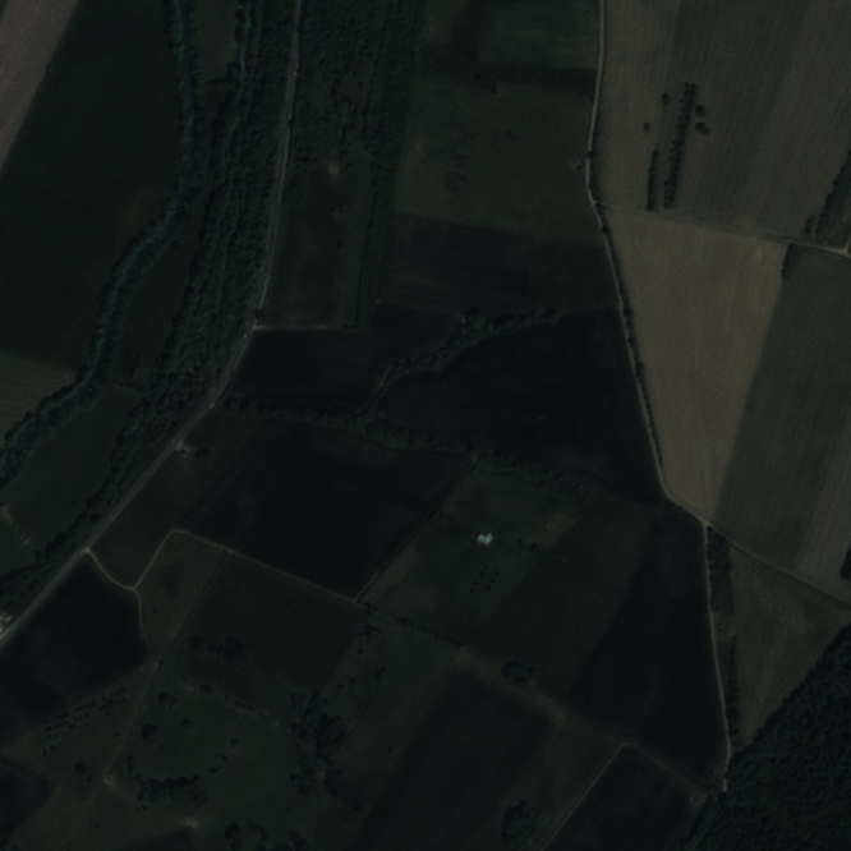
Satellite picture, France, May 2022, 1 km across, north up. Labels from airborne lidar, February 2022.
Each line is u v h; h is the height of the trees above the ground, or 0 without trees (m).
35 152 0
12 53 0
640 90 0
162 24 0
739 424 0
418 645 0
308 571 0
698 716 0
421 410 0
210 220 10
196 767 0
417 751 0
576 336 0
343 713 0
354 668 0
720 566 12
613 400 0
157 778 0
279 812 0
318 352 0
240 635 0
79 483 0
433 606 0
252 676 0
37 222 0
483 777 0
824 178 0
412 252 0
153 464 0
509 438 0
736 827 20
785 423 0
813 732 22
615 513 0
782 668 0
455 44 0
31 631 0
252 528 0
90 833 0
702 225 0
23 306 0
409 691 0
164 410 11
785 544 0
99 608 0
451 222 0
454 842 0
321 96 0
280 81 10
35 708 0
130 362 0
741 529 0
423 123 0
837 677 25
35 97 0
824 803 21
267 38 13
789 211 0
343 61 10
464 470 0
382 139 11
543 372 0
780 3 0
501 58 0
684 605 0
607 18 0
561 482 6
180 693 0
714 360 0
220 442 0
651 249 0
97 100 0
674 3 0
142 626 0
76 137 0
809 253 0
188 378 8
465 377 0
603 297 0
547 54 0
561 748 0
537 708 0
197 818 0
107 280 0
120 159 0
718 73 0
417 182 0
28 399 0
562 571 0
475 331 17
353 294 0
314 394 0
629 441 0
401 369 10
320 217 0
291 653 0
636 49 0
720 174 0
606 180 0
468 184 0
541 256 0
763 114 0
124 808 0
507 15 0
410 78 7
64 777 0
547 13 0
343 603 0
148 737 17
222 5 0
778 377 0
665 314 0
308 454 0
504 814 0
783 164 0
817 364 0
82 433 0
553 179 0
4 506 6
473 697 0
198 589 0
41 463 0
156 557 0
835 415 0
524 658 0
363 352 0
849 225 0
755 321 0
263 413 13
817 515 0
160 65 0
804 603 0
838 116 0
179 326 12
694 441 0
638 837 0
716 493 0
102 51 0
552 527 0
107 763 0
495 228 0
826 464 0
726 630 0
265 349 0
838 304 0
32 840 0
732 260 0
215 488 0
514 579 0
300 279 0
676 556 0
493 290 0
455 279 0
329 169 0
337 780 20
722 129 0
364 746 0
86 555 0
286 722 0
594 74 0
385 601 0
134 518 0
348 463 0
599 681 0
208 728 0
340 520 0
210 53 0
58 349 0
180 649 0
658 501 0
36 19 0
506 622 0
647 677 0
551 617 0
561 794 0
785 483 0
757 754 17
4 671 0
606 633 0
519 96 0
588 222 0
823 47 0
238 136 12
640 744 0
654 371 0
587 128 0
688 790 0
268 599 0
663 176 0
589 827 0
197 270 17
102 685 0
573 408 0
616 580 0
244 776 0
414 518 0
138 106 0
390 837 0
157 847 0
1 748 0
